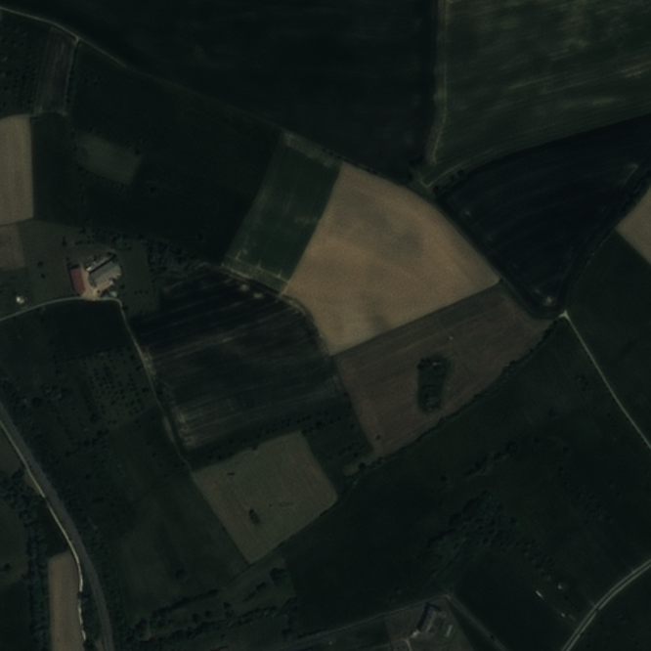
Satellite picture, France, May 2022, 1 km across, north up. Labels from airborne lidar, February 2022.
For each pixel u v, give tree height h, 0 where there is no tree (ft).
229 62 0
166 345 0
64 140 0
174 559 0
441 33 0
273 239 0
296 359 0
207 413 0
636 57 0
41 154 0
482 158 0
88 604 51
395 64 0
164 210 0
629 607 0
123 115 0
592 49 0
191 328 0
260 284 0
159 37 0
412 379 0
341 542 0
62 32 0
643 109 0
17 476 29
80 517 25
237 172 0
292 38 0
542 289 0
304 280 0
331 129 0
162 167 0
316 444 0
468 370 0
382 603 0
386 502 0
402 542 0
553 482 0
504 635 0
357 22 0
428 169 0
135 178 0
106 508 0
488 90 0
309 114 0
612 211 0
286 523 0
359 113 0
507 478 0
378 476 0
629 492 0
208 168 0
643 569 0
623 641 0
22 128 0
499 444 0
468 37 0
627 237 0
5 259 0
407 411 0
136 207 0
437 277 0
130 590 0
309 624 0
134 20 0
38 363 0
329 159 0
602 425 0
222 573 0
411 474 0
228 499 0
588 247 0
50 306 0
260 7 0
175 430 0
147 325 0
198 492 0
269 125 0
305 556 0
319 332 0
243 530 0
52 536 0
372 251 0
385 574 0
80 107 0
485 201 0
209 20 0
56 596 0
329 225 0
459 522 40
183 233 0
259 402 0
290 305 0
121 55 0
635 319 0
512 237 0
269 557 0
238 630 0
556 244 0
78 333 0
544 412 0
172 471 0
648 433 0
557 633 0
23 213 0
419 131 0
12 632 0
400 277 0
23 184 0
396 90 0
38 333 0
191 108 0
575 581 0
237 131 0
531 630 0
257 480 0
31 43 0
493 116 0
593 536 0
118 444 0
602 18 0
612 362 0
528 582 0
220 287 0
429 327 0
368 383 0
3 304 0
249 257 0
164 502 0
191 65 0
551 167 0
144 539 0
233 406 0
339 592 0
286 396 0
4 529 0
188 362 0
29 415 26
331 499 0
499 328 0
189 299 0
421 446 0
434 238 0
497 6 0
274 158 0
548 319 0
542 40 0
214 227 0
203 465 0
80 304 0
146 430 0
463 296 0
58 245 0
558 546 0
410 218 0
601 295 0
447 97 0
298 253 0
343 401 0
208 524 0
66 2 0
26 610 0
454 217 0
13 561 0
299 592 0
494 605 0
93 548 47
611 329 0
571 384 0
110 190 0
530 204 0
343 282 0
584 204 0
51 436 0
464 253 0
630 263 0
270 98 0
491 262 0
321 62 0
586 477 0
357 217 0
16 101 0
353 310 0
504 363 0
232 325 0
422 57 0
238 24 0
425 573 0
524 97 0
